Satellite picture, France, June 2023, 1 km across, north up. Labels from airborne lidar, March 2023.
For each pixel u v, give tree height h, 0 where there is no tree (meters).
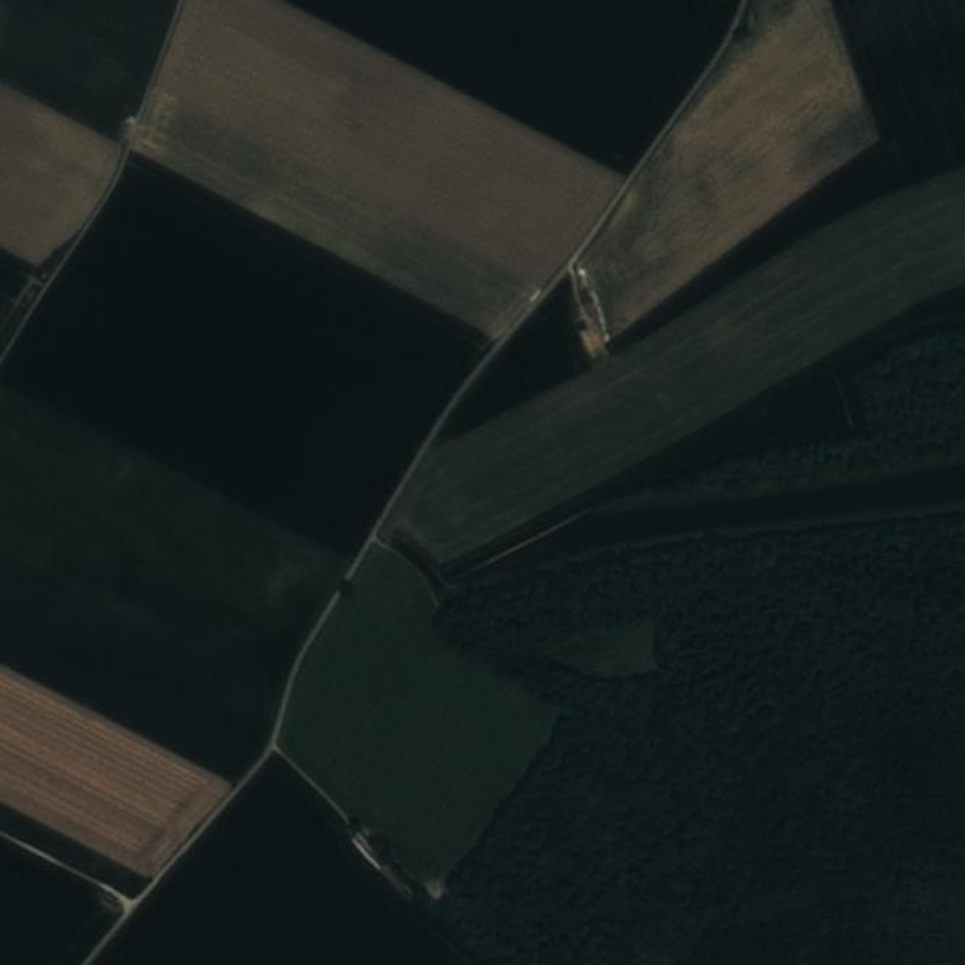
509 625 21
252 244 0
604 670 0
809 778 17
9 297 0
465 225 0
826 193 0
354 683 0
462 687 0
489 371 0
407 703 0
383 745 0
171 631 0
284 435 0
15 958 0
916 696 20
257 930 0
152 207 0
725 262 0
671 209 0
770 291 0
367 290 0
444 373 0
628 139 0
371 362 0
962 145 0
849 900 15
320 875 0
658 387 0
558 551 0
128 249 0
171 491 0
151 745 0
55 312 0
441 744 0
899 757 19
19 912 0
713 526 0
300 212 0
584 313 0
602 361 0
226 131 0
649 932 26
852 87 0
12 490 0
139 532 0
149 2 0
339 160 0
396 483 0
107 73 0
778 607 22
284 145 0
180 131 0
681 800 27
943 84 0
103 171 0
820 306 0
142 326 0
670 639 18
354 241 0
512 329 0
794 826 14
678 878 22
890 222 0
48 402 0
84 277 0
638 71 0
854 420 0
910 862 14
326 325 0
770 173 0
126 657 0
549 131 0
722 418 0
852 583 26
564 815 26
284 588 0
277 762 0
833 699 21
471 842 0
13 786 0
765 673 20
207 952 0
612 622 13
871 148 0
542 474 0
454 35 0
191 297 0
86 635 0
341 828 0
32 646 0
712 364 0
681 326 0
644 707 22
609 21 0
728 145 0
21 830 0
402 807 0
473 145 0
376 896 0
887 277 0
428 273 0
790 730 17
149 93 0
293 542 0
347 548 0
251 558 0
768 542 11
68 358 0
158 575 0
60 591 0
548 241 0
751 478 15
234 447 0
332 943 0
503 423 0
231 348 0
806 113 0
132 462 0
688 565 19
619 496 9
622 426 0
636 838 23
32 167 0
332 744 0
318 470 0
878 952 20
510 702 0
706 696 14
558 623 22
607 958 22
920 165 0
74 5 0
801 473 13
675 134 0
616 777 24
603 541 0
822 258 0
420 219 0
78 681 0
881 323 0
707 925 19
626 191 0
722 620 20
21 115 0
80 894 0
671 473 0
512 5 0
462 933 17
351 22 0
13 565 0
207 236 0
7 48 0
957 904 16
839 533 18
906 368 19
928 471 0
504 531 0
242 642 0
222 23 0
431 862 0
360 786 0
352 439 0
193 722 0
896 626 27
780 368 0
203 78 0
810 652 29
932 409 19
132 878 0
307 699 0
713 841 17
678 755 28
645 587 22
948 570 11
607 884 25
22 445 0
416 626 0
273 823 0
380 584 0
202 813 0
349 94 0
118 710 0
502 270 0
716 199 0
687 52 0
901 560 9
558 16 0
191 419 0
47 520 0
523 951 20
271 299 0
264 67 0
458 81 0
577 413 0
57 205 0
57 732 0
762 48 0
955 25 0
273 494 0
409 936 0
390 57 0
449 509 0
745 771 22
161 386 0
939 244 0
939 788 17
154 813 0
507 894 22
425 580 0
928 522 9
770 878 16
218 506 0
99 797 0
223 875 0
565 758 19
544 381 0
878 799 21
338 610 0
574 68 0
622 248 0
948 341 20
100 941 0
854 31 0
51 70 0
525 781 16
